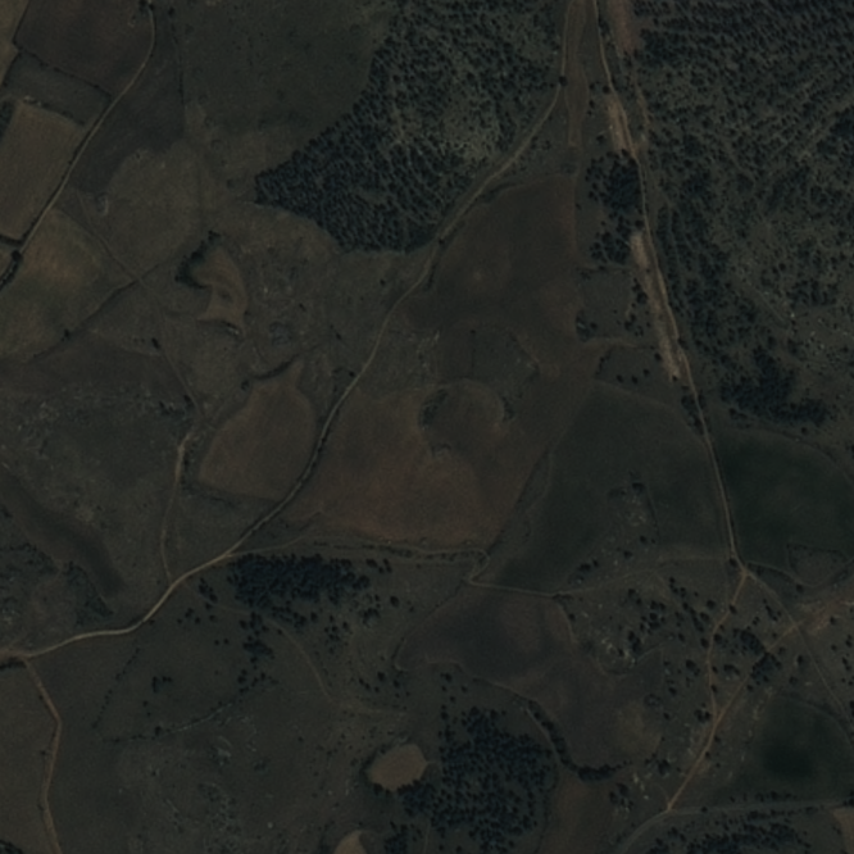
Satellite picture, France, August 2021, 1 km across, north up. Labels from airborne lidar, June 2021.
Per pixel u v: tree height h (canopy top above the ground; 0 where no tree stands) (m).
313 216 12
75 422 0
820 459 0
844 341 0
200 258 14
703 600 0
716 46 7
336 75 0
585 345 0
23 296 0
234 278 0
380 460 0
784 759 0
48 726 0
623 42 0
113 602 0
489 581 0
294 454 0
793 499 0
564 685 0
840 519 0
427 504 0
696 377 0
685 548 0
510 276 0
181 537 0
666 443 0
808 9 13
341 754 0
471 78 11
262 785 0
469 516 0
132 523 0
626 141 0
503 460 0
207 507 0
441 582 0
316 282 0
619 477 0
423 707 0
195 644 0
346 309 0
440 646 0
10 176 0
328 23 0
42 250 0
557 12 0
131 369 0
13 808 0
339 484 0
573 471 0
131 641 0
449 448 0
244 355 0
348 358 0
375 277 0
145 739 0
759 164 11
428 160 6
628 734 0
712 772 0
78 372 0
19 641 0
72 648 0
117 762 0
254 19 0
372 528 0
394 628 0
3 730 0
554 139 0
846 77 6
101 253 0
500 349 0
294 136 0
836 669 0
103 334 0
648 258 0
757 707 0
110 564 0
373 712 0
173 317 0
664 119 7
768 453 0
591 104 7
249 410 0
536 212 0
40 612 0
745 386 7
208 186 0
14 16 0
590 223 0
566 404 0
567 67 0
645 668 0
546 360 0
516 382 0
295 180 10
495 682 0
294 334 0
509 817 9
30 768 0
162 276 0
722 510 0
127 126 0
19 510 0
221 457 0
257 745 0
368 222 11
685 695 0
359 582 7
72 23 0
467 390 0
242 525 0
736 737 0
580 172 0
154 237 0
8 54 0
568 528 0
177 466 0
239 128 0
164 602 0
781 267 8
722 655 0
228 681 0
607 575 0
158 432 0
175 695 0
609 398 0
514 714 0
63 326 0
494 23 8
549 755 11
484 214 0
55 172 0
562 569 0
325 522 0
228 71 0
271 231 0
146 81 0
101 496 0
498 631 0
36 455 0
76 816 0
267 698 0
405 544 0
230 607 0
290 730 0
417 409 0
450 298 0
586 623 0
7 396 0
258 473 0
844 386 0
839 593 0
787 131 6
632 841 0
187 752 0
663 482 0
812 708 0
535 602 0
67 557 0
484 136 0
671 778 0
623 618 0
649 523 0
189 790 0
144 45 0
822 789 0
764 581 0
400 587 0
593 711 0
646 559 0
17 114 0
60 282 0
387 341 0
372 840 0
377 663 0
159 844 0
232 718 0
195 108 0
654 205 0
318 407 0
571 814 0
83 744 0
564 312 0
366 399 0
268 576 13
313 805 0
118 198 0
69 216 0
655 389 0
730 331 7
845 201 6
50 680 0
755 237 0
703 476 0
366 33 0
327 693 0
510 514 0
